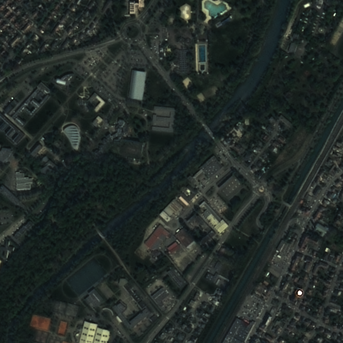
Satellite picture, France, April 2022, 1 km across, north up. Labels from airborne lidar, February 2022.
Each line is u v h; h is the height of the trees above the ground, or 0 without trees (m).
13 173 0
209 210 0
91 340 0
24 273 25
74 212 30
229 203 0
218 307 0
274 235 0
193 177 0
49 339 0
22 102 0
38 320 0
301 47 0
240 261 38
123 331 0
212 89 0
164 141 0
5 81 8
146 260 0
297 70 0
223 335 0
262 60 0
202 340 0
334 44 0
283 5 0
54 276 0
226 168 0
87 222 28
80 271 0
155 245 0
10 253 0
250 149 14
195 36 15
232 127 24
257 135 6
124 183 30
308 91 0
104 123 0
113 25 9
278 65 0
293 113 21
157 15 0
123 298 0
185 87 11
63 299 0
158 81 0
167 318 0
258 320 0
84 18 7
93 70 0
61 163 0
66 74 0
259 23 17
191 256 0
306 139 0
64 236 30
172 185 23
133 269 0
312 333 0
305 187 0
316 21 18
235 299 0
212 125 0
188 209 0
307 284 0
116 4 17
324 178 0
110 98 0
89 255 9
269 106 22
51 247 28
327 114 0
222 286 0
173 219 0
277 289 0
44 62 0
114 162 27
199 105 19
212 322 0
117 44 0
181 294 8
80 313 0
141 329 0
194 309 0
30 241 23
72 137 0
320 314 0
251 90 0
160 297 0
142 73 0
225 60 0
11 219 0
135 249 0
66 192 31
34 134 0
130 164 23
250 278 0
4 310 33
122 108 19
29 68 0
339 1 20
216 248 0
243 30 0
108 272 0
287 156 0
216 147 0
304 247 0
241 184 0
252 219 0
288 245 0
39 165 13
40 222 0
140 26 0
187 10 0
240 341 0
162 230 0
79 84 0
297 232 0
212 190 8
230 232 0
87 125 0
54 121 0
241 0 11
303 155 0
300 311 0
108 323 0
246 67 20
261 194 0
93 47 0
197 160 21
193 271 0
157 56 0
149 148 0
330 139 0
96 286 0
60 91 0
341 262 0
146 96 15
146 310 0
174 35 0
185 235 0
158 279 0
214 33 17
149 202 20
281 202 0
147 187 21
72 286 0
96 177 32
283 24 12
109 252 0
